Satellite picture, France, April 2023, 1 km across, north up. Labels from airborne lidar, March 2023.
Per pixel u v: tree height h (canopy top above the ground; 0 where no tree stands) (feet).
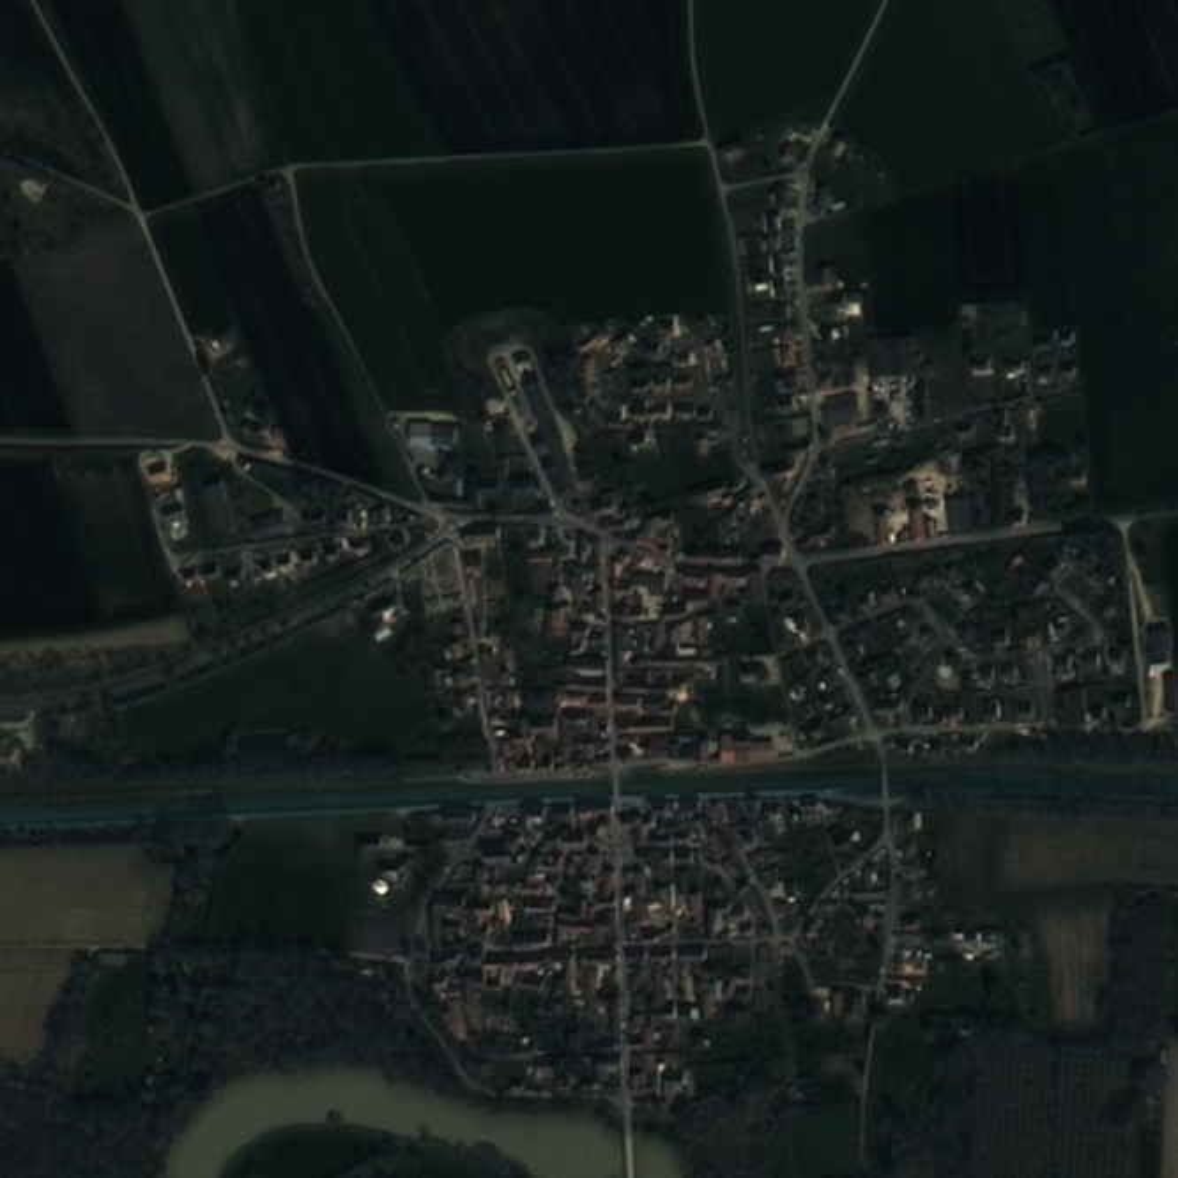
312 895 0
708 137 0
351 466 0
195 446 0
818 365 24
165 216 0
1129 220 0
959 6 0
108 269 0
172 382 0
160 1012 33
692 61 0
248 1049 78
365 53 0
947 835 0
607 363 0
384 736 0
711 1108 37
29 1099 72
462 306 0
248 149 0
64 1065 73
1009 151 0
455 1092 51
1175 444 0
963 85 0
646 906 0
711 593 0
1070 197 0
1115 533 43
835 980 0
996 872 0
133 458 0
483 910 0
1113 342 0
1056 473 24
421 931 0
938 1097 33
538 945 0
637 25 0
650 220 0
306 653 0
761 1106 0
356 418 0
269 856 0
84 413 0
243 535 49
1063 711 29
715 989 0
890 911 0
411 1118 0
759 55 0
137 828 18
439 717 24
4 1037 0
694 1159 43
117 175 0
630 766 0
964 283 0
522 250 0
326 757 49
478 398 20
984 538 0
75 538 0
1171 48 0
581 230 0
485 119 0
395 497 0
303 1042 51
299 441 0
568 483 0
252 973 71
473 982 0
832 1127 0
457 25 0
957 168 0
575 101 0
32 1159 72
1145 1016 65
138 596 0
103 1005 0
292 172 0
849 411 0
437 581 0
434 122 0
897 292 0
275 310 0
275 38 0
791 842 22
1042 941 0
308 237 0
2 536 0
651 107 0
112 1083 0
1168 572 0
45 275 0
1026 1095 73
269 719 0
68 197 0
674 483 0
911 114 0
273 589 0
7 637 0
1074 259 0
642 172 0
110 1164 77
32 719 0
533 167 0
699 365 0
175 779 54
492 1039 46
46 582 0
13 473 0
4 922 0
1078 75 31
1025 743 36
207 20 0
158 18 0
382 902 0
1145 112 0
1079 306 0
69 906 0
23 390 0
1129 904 30
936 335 0
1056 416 0
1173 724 0
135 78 0
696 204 0
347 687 0
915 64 0
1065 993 0
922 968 0
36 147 0
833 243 0
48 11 0
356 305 0
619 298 0
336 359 0
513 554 31
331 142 0
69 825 0
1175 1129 0
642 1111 59
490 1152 43
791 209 0
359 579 0
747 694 0
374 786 0
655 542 0
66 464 0
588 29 0
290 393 0
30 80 0
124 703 21
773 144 0
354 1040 87
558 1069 40
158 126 0
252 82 0
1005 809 56
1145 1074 68
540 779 0
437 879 50
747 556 30
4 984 0
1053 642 0
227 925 0
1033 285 0
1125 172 0
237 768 58
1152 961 73
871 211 0
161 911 0
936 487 0
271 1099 0
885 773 0
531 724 0
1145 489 0
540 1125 0
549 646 0
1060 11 0
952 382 0
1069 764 68
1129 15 0
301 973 69
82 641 0
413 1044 58
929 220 0
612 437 21
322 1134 0
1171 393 0
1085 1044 78
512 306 26
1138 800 57
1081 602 0
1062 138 21
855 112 0
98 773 63
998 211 0
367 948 0
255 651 24
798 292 0
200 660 0
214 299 0
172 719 0
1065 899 0
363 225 0
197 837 59
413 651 23
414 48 0
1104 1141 78
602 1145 0
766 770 0
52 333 0
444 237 0
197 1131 0
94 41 0
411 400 0
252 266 0
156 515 0
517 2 0
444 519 0
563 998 24
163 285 0
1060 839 0
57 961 0
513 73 0
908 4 0
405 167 0
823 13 0
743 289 0
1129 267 0
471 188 0
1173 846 0
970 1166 66
